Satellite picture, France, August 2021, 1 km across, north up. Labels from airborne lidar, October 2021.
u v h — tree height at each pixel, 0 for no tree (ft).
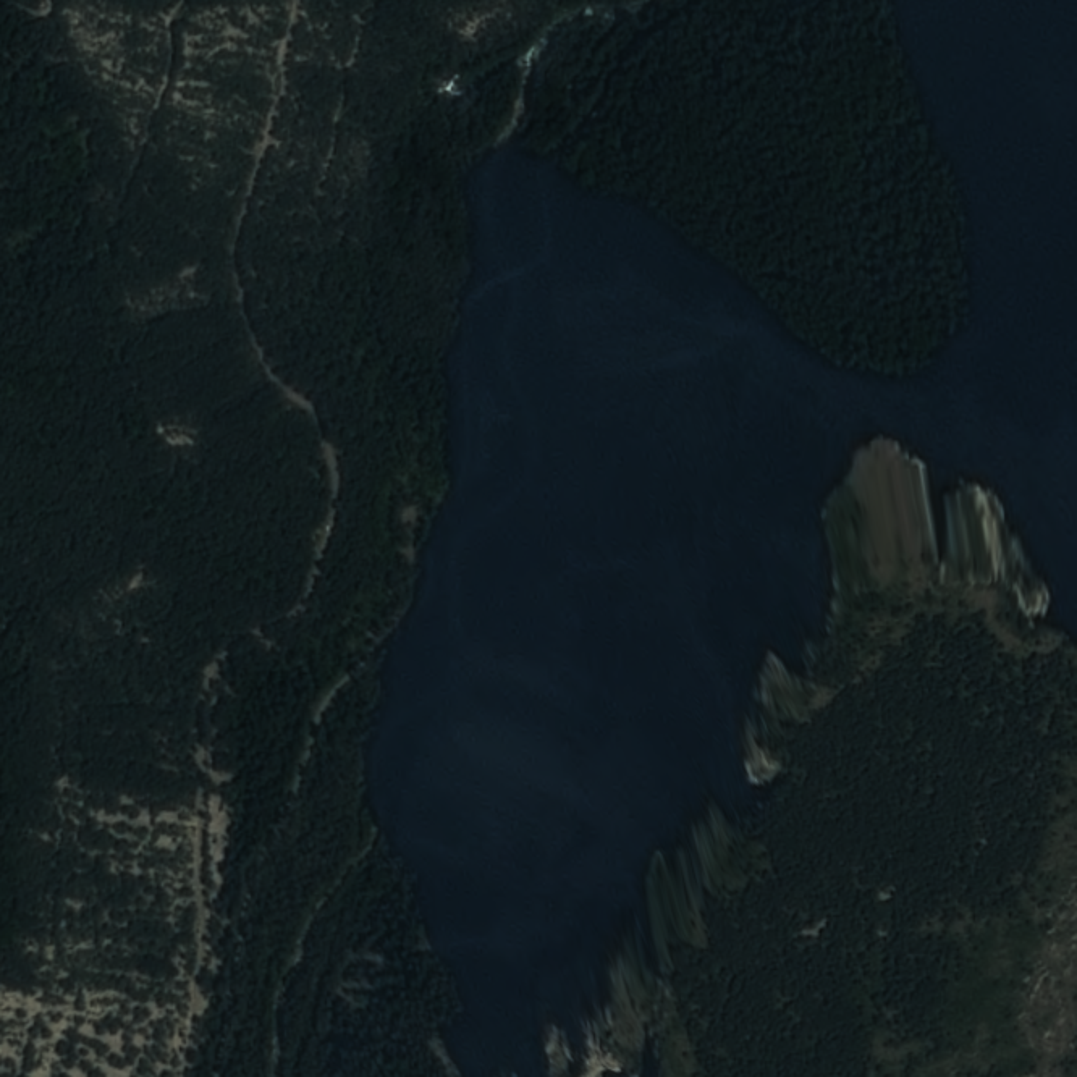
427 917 46
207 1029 25
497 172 31
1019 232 62
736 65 83
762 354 0
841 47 66
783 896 33
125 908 51
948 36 55
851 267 58
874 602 20
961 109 59
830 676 32
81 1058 36
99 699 70
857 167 42
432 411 77
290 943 49
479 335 45
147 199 58
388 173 63
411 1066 33
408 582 47
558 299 0
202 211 46
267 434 44
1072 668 21
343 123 21
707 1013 32
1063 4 51
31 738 60
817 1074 43
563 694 0
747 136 57
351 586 55
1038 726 37
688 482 23
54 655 60
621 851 0
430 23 66
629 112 44
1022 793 35
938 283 66
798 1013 39
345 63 38
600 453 23
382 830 28
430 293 59
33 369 55
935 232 74
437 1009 26
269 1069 63
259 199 53
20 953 43
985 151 54
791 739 31
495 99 69
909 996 43
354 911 48
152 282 41
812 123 64
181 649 60
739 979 44
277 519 76
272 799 60
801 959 49
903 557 0
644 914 29
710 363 20
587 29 30
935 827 43
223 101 23
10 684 61
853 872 34
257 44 24
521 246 37
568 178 65
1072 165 52
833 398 0
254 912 61
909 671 23
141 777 67
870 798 47
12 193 70
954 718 32
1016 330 65
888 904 37
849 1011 47
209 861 29
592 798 0
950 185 64
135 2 56
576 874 0
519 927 0
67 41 26
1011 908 27
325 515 44
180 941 43
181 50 44
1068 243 54
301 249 58
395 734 19
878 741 28
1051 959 0
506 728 0
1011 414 30
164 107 30
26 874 35
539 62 41
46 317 55
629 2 42
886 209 58
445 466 27
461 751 0
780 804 28
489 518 23
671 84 73
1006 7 57
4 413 48
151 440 58
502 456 27
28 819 58
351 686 21
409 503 63
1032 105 54
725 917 35
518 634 22
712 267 55
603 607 18
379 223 49
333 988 40
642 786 0
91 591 38
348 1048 33
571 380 28
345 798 32
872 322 72
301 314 65
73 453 47
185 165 23
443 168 56
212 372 75
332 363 73
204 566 73
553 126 54
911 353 52
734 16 65
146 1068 44
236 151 35
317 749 24
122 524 48
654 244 52
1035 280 64
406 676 23
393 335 65
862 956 28
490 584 34
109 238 80
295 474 44
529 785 0
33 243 43
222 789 37
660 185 61
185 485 42
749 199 60
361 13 38
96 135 48
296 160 41
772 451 25
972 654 35
